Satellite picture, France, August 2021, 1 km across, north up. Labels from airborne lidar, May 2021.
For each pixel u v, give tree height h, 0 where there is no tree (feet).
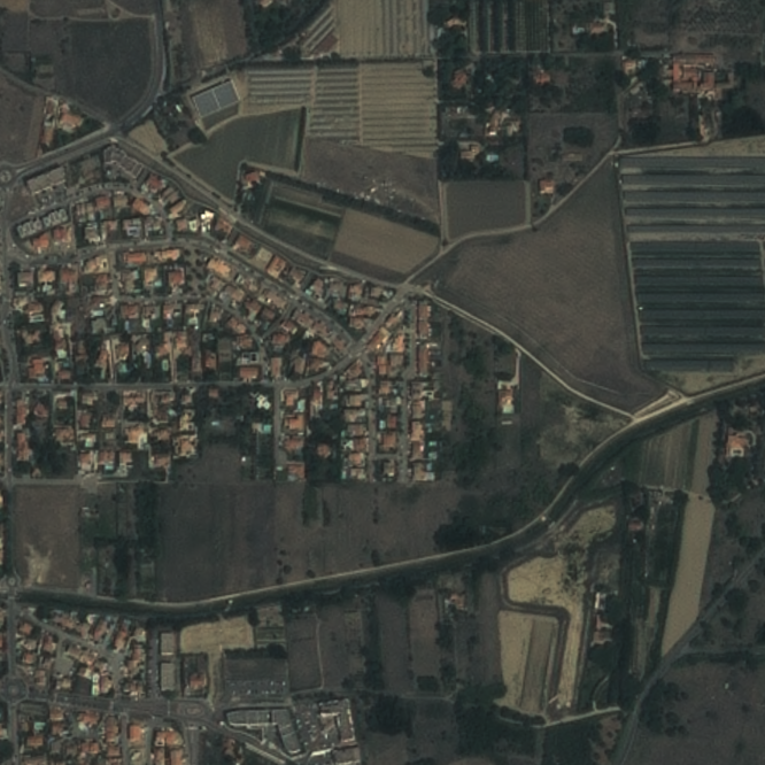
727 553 0
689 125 25
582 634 0
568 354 0
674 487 0
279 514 0
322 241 0
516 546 0
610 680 26
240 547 0
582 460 0
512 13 48
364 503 0
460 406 25
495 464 0
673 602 0
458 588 0
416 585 23
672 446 0
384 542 0
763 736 0
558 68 37
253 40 21
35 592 0
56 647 0
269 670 0
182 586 0
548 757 28
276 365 0
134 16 0
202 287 28
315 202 0
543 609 0
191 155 0
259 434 38
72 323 0
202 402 31
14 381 0
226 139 0
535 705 0
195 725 0
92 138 0
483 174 31
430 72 21
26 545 0
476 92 31
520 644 0
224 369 0
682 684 0
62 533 0
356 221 0
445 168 46
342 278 0
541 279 0
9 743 37
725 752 0
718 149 0
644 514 47
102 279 0
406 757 0
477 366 35
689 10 22
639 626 0
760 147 0
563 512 0
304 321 0
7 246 0
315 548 0
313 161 0
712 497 46
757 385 0
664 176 0
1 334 0
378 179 0
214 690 0
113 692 19
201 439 19
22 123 0
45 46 0
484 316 0
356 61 35
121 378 24
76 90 0
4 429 0
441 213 0
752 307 0
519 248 0
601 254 0
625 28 20
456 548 36
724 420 43
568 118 0
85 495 0
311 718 0
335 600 22
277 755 0
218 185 0
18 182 0
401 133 0
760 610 0
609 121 0
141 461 0
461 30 25
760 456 39
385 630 0
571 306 0
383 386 0
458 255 0
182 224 0
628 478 0
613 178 0
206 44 0
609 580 0
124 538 23
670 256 0
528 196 0
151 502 23
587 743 28
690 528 0
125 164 0
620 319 0
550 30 25
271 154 0
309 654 0
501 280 0
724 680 0
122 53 0
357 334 0
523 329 0
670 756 0
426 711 0
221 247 0
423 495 0
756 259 0
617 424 0
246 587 0
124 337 25
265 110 0
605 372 0
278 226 0
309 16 27
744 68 61
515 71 62
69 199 0
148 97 0
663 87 50
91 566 0
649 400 0
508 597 0
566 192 49
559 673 0
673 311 0
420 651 0
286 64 35
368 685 34
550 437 0
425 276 0
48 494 0
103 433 0
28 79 19
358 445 0
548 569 0
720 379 0
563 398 0
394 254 0
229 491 0
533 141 0
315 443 40
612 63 0
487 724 31
